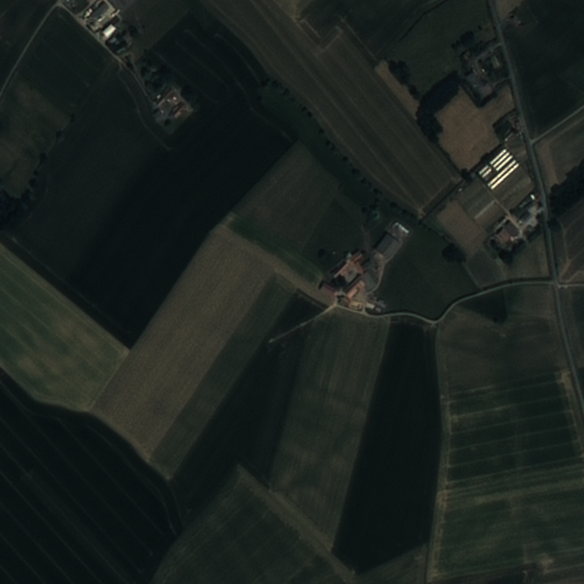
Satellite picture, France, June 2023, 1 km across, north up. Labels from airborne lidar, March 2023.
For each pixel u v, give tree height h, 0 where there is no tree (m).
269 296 0
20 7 0
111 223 0
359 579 0
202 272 0
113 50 12
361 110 0
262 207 0
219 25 0
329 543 0
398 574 0
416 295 0
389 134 0
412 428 0
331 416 0
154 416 0
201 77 0
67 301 0
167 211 0
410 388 0
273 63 0
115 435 0
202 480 0
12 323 0
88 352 0
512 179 0
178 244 0
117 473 0
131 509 0
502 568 0
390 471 0
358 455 0
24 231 0
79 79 0
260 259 0
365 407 0
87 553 0
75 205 0
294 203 0
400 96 0
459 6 0
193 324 0
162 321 0
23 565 0
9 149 0
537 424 0
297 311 0
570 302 0
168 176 0
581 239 0
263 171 0
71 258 0
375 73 0
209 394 0
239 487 0
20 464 0
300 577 0
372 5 0
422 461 0
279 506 0
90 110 0
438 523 0
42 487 0
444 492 0
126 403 0
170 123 10
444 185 0
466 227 0
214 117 0
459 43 8
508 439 0
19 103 0
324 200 0
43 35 0
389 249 0
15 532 0
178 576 0
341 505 0
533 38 0
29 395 0
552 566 0
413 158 0
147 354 0
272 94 0
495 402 0
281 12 0
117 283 0
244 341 0
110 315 0
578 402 0
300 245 0
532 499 0
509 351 0
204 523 0
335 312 0
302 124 0
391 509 0
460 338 0
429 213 0
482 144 0
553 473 0
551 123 0
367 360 0
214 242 0
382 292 0
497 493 0
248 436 0
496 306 0
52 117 0
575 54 0
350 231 0
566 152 0
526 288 0
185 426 0
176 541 0
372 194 0
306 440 0
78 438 0
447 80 0
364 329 0
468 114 0
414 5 0
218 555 0
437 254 0
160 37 0
